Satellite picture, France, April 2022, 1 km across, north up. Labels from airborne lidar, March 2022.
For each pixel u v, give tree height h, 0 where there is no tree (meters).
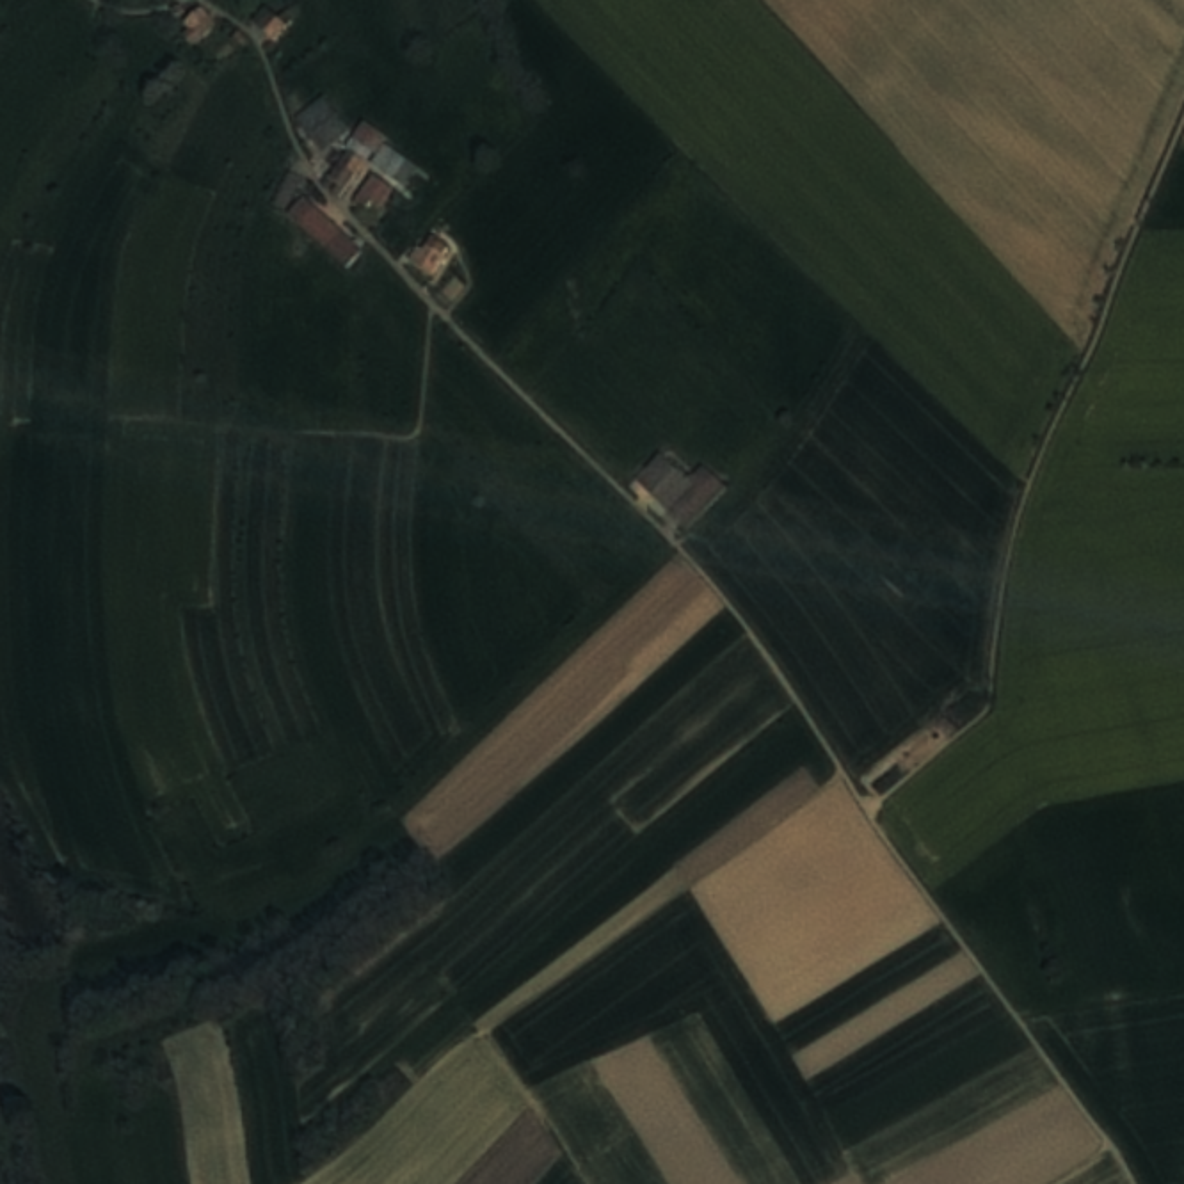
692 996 0
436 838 0
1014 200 0
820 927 0
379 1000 0
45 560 0
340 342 0
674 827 0
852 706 0
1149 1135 0
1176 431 0
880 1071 0
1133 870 0
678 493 0
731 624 0
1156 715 0
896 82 0
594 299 0
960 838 0
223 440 0
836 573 0
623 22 0
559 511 0
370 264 0
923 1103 0
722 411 0
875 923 0
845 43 0
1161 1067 0
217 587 0
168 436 0
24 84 0
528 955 0
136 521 0
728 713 0
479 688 0
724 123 0
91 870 0
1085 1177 0
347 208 0
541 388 0
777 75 0
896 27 0
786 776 0
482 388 0
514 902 0
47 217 0
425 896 27
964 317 0
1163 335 0
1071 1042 0
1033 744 0
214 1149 0
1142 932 0
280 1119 0
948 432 0
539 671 0
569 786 0
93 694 0
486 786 0
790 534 0
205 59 6
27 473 0
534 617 0
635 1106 0
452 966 0
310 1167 14
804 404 0
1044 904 0
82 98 0
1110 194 0
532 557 0
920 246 0
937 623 0
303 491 0
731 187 0
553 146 0
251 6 17
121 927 23
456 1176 0
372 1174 0
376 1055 0
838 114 0
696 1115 0
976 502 0
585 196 0
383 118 0
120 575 0
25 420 0
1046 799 0
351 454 0
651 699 0
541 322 0
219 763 0
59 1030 0
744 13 0
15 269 0
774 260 0
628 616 0
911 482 0
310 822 0
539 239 0
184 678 0
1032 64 0
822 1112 0
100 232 0
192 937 0
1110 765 0
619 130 0
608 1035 0
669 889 0
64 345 0
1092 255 0
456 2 0
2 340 0
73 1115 7
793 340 0
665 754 0
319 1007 24
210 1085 0
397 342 0
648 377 0
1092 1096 0
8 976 26
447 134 0
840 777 0
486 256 0
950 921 0
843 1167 0
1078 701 0
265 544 0
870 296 0
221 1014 28
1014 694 0
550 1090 0
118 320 0
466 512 0
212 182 0
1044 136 0
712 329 0
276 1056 0
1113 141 0
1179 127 0
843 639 0
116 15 16
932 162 0
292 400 0
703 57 0
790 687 0
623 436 0
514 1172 0
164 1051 0
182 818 0
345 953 30
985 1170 0
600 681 0
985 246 0
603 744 0
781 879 0
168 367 0
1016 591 0
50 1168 0
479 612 0
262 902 0
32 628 0
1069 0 0
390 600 0
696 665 0
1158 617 0
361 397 0
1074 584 0
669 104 0
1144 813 0
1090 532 0
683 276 0
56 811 0
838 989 0
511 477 0
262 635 0
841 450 0
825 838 0
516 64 23
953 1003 0
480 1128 0
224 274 0
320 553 0
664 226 0
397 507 0
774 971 0
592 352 0
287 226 0
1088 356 0
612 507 0
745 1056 0
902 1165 0
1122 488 0
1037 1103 0
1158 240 0
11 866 0
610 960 0
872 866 0
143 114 0
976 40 0
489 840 0
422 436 0
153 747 0
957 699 0
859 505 0
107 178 0
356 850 0
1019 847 0
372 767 0
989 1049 0
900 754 0
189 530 0
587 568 0
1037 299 0
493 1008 0
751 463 0
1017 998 0
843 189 0
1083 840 0
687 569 0
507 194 0
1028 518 0
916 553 0
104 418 0
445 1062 0
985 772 0
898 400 0
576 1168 0
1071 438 0
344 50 0
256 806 0
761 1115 0
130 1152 0
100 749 0
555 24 0
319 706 0
